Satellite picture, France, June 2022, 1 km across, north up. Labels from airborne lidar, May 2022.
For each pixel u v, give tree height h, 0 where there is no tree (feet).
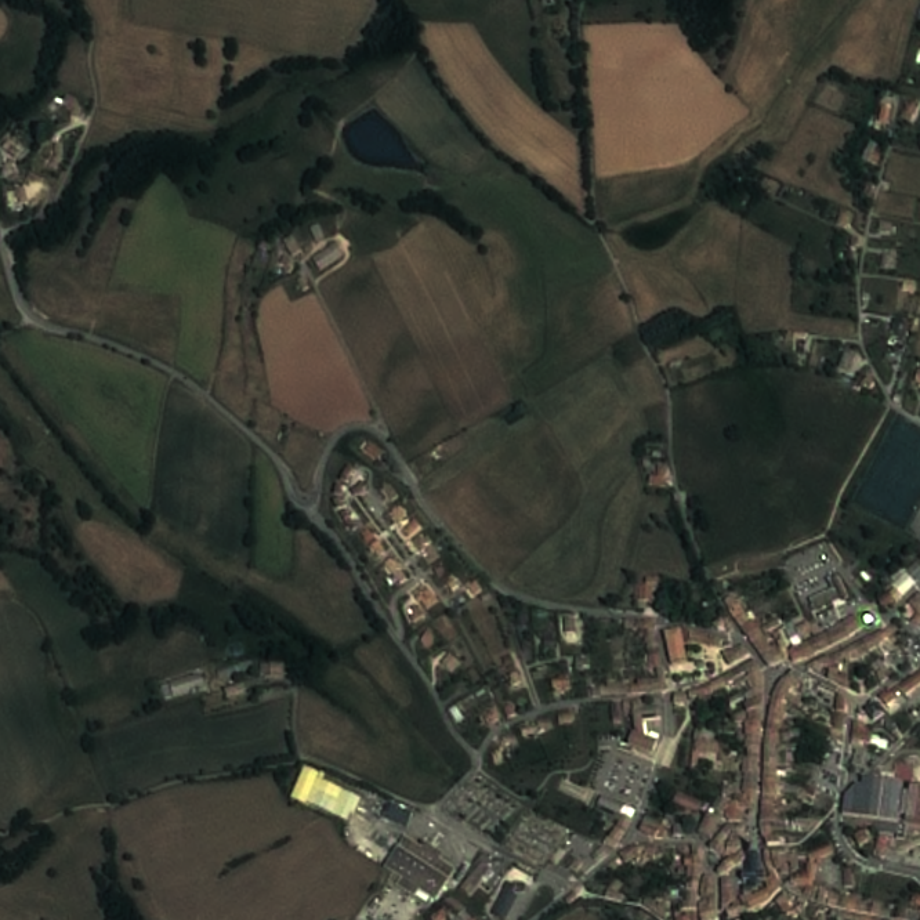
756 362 18
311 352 0
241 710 0
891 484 0
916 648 0
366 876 0
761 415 0
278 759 45
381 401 0
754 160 98
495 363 0
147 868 0
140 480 0
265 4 0
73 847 0
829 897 0
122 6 0
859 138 33
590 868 0
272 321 0
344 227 0
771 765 0
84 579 41
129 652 0
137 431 0
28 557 54
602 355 0
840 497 0
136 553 0
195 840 0
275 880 0
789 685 0
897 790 0
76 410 0
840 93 0
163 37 0
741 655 0
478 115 0
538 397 0
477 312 0
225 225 0
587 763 0
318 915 0
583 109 70
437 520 0
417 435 0
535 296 0
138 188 51
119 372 0
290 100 0
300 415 0
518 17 0
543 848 0
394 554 0
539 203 0
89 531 0
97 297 0
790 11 0
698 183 0
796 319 0
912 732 17
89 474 30
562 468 0
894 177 0
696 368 0
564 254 0
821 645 0
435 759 0
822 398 0
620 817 0
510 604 27
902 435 0
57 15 86
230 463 0
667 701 0
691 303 0
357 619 0
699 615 25
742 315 0
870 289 0
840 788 0
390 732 0
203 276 0
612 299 0
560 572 0
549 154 0
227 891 0
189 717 0
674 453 0
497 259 0
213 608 0
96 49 0
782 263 0
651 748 0
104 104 0
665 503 0
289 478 0
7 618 0
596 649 25
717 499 0
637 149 0
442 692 25
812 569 0
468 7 0
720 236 0
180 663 0
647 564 0
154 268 0
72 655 0
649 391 0
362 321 0
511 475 0
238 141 0
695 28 45
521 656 0
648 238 0
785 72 0
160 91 0
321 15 0
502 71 0
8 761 0
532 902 0
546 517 0
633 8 0
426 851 0
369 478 0
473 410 0
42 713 0
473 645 0
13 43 0
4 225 0
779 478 0
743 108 0
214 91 0
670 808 62
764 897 0
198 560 0
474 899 0
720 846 0
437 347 0
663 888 23
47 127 73
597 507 0
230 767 30
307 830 0
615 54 0
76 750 0
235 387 0
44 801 0
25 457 0
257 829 0
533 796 62
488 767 0
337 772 24
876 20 0
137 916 43
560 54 0
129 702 0
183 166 55
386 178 0
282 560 0
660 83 0
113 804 28
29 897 0
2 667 0
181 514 0
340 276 0
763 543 0
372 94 0
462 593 0
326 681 0
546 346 0
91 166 43
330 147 0
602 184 0
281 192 0
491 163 0
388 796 35
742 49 0
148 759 0
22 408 0
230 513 0
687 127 0
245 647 0
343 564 40
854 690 24
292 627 38
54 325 0
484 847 0
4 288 0
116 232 0
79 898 0
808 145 0
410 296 0
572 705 0
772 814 0
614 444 0
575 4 47
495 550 0
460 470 0
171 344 0
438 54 0
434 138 0
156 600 0
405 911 0
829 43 0
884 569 43
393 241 0
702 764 32
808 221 0
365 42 27
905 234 0
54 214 61
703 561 24
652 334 33
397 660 0
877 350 0
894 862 0
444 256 0
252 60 0
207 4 0
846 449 0
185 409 0
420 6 0
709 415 0
